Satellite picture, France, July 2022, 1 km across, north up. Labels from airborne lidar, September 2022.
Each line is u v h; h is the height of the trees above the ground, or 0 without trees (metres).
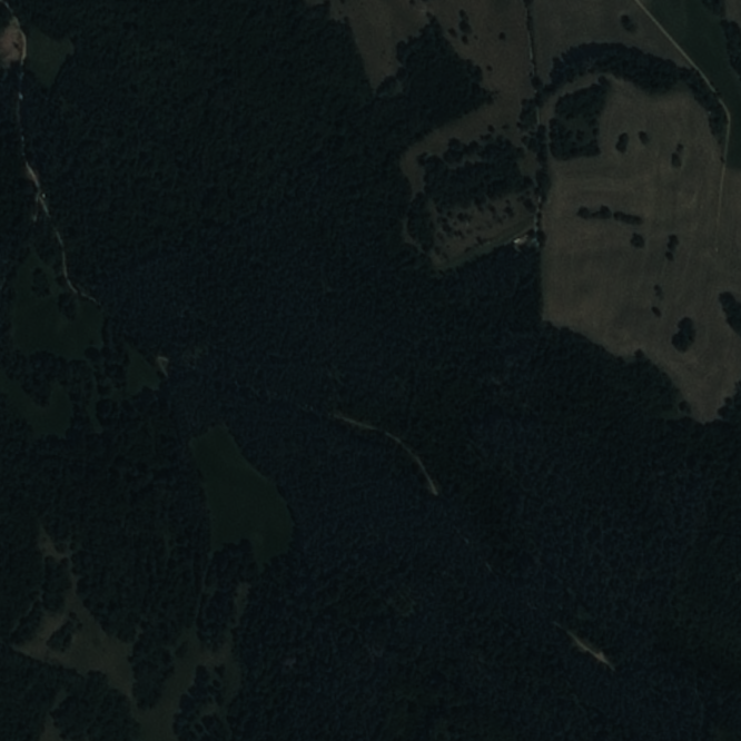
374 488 29
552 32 0
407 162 0
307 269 16
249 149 10
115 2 6
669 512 24
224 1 7
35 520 17
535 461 20
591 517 15
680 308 0
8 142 19
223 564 20
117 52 14
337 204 8
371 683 31
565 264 0
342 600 8
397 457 13
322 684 26
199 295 20
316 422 26
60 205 12
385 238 16
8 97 26
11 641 13
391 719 23
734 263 0
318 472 22
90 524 19
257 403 21
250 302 23
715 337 0
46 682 17
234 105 13
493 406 9
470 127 0
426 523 27
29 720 17
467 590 25
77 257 7
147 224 9
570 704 27
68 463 11
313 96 8
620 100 0
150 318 19
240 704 6
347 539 31
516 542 9
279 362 20
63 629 7
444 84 15
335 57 13
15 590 22
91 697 6
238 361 25
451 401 6
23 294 0
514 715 20
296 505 23
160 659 7
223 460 0
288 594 6
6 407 17
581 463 20
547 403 14
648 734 31
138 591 18
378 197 11
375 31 0
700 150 0
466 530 26
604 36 0
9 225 7
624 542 24
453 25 0
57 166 9
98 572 9
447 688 23
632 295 0
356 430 6
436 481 6
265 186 15
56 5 7
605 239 0
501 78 0
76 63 16
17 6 19
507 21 0
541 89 8
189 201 15
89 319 0
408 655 28
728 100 0
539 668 23
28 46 0
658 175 0
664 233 0
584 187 0
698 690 18
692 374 0
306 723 23
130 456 8
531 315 18
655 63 17
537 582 35
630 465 20
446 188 8
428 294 16
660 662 19
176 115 8
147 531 8
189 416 0
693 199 0
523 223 0
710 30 0
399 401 10
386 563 23
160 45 13
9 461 17
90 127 9
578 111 6
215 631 23
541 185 15
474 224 0
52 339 0
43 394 20
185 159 10
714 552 10
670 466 14
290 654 30
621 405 12
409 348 9
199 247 18
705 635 10
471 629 20
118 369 24
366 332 17
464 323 15
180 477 20
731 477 17
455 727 21
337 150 15
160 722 0
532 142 10
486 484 8
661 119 0
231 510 0
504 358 27
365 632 27
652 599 25
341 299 16
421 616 23
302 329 16
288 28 9
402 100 12
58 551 11
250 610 9
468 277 20
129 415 14
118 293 24
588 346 18
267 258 16
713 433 8
